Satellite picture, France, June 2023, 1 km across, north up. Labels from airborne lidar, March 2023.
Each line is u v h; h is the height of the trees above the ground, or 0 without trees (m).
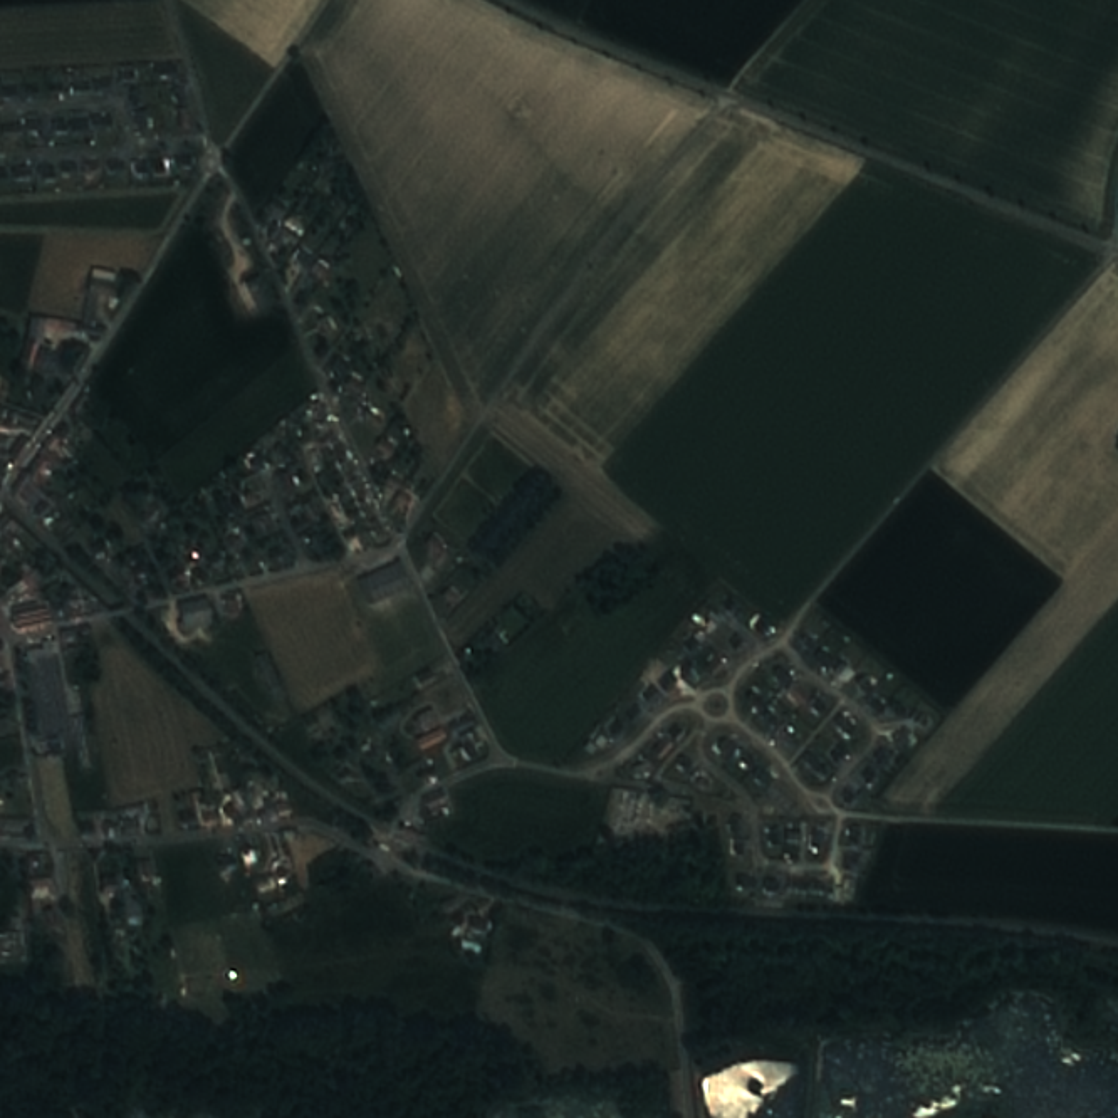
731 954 26
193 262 0
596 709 0
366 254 0
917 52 0
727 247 0
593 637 0
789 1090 0
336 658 0
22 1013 24
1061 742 0
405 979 0
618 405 0
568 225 0
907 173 0
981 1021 0
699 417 0
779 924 8
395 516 0
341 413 0
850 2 0
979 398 0
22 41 0
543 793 0
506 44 0
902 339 0
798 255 0
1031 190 0
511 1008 0
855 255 0
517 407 0
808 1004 17
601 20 0
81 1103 15
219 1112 12
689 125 0
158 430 0
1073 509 0
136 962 7
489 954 8
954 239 0
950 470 0
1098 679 0
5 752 0
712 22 0
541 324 0
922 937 12
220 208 0
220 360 0
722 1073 0
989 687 0
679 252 0
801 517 0
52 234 0
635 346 0
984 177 0
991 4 0
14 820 0
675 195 0
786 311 0
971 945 10
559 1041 0
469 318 0
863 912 8
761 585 0
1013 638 0
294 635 0
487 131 0
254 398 0
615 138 0
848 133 0
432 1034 28
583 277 0
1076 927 0
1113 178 0
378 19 0
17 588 0
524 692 0
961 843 0
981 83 0
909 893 0
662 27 0
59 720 0
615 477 0
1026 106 0
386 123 0
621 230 0
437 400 0
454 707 0
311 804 0
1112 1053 0
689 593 0
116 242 0
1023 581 0
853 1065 0
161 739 0
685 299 0
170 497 6
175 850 0
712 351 0
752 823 0
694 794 0
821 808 0
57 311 0
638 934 9
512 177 0
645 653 0
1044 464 0
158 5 0
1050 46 0
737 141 0
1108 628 0
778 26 0
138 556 6
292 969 0
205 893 0
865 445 0
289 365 0
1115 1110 0
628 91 0
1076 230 0
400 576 0
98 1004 20
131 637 8
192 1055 27
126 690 0
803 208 0
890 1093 0
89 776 0
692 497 0
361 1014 26
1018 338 0
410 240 0
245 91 0
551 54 0
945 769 0
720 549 0
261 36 0
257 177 0
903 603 0
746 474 0
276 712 0
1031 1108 0
